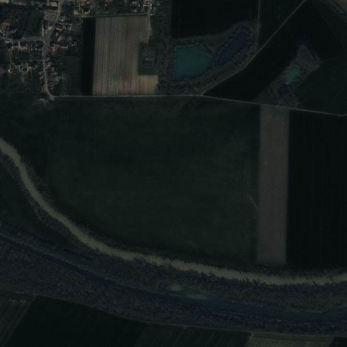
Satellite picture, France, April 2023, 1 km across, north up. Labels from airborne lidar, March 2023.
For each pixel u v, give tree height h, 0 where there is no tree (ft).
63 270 87
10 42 0
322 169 0
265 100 0
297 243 0
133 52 0
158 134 0
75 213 0
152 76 0
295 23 0
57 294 47
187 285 23
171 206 0
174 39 44
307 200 0
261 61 0
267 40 0
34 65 0
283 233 0
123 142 0
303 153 0
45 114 0
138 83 0
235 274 0
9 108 0
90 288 85
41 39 0
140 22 0
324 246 0
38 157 0
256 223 0
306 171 0
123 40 0
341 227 0
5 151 0
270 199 0
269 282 0
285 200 0
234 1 0
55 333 0
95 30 0
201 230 0
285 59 0
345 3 0
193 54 0
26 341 0
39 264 75
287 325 27
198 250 0
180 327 0
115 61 0
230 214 0
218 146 0
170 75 61
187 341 0
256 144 0
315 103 0
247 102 0
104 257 53
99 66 0
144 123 0
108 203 0
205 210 0
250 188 0
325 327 78
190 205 0
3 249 42
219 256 0
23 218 0
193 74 0
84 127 0
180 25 0
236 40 0
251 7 0
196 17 0
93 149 0
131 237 0
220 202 0
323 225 0
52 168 0
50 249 79
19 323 0
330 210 0
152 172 0
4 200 0
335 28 0
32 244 70
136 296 71
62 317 0
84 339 0
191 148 0
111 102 0
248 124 0
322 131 0
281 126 0
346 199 0
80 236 0
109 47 0
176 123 0
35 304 0
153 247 0
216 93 0
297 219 0
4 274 73
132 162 0
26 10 25
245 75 0
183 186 0
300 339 0
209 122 0
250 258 0
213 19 0
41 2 0
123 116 0
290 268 0
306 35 0
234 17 0
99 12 0
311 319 0
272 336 0
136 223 0
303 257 0
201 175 0
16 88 40
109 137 0
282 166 0
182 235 0
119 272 59
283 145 0
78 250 0
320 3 0
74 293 60
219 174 0
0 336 0
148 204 0
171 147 0
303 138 0
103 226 0
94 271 26
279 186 0
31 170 18
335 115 0
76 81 0
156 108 0
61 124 0
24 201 0
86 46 0
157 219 0
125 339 0
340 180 0
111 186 0
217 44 0
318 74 0
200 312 66
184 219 0
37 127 0
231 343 0
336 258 0
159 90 62
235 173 0
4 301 0
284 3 0
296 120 0
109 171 0
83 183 0
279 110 0
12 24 0
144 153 0
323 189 0
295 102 98
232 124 0
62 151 0
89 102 0
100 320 0
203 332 0
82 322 0
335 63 0
